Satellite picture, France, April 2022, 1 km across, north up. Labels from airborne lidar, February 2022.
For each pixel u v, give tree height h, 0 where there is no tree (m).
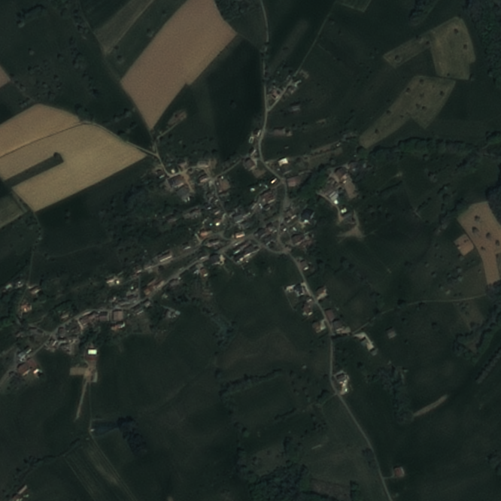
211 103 0
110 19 0
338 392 0
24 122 0
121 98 0
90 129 0
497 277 0
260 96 0
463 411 0
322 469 0
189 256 0
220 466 0
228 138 0
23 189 0
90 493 0
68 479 0
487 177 0
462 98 0
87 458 0
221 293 0
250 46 0
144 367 0
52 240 0
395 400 7
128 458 0
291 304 0
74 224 0
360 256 0
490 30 22
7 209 0
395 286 0
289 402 0
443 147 24
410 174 0
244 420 0
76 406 0
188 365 0
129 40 0
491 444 0
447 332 0
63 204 0
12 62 0
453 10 0
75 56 8
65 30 0
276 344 0
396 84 0
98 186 0
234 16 11
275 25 0
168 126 0
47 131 0
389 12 0
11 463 0
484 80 0
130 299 0
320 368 0
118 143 0
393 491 0
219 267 6
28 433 0
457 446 0
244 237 0
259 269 0
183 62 0
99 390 0
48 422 0
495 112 0
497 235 0
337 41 0
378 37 0
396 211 0
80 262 0
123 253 10
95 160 0
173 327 12
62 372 0
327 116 0
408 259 0
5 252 0
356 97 0
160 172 0
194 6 0
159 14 0
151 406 0
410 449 0
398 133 0
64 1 23
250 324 0
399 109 0
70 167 0
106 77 0
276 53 0
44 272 0
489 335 21
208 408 0
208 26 0
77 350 0
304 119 0
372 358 0
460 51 0
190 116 0
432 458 0
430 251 0
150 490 0
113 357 0
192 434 0
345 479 0
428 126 0
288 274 0
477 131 0
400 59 10
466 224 0
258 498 18
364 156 17
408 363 0
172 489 0
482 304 0
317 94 0
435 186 0
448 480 0
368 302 0
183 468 0
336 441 0
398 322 0
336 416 0
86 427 0
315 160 0
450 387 0
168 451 0
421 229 0
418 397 0
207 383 0
